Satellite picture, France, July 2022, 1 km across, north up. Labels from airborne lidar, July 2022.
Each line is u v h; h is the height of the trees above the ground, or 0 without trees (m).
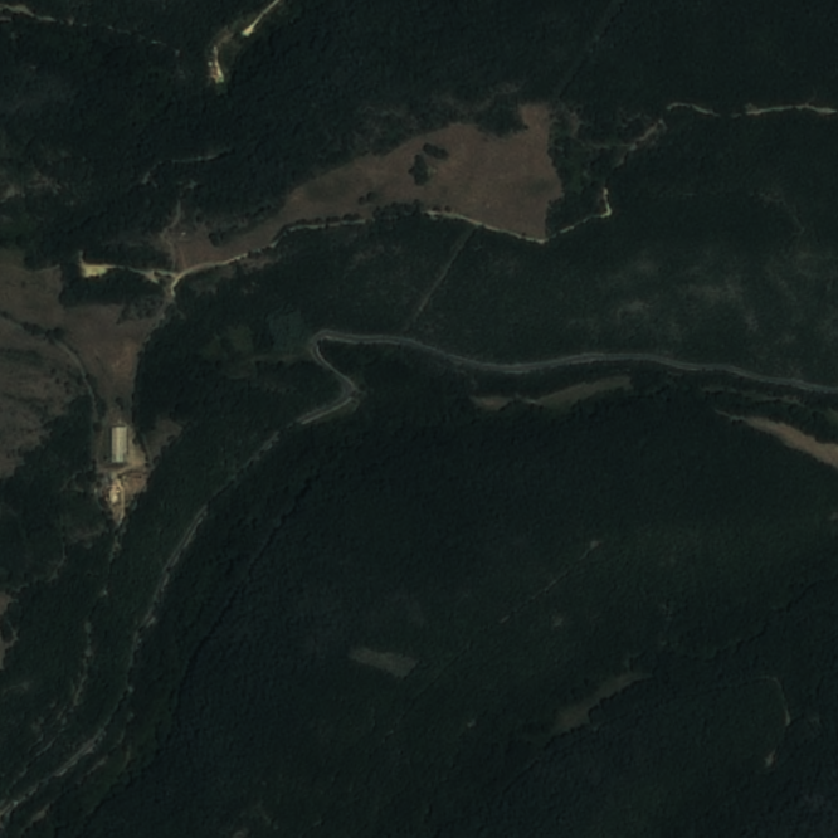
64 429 8
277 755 7
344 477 14
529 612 10
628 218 7
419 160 6
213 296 6
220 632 11
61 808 18
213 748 6
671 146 8
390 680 9
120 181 8
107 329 0
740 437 12
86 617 15
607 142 8
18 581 11
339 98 7
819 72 6
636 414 16
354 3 10
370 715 10
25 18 7
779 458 11
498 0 11
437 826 10
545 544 6
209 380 15
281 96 11
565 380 11
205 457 14
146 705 11
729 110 8
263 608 8
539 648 10
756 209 7
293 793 9
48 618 11
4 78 9
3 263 0
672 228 6
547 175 0
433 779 13
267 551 7
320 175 0
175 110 21
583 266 8
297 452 9
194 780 9
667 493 6
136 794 8
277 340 20
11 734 14
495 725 16
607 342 8
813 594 20
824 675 17
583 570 11
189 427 6
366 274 7
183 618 22
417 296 6
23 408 0
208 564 19
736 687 9
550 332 8
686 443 11
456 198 0
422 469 14
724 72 7
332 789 8
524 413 12
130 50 10
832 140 5
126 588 13
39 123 8
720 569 12
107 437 0
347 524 8
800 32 8
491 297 6
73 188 7
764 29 6
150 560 12
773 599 14
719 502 8
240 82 18
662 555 7
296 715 7
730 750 8
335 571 6
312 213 0
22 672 11
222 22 13
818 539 10
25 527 9
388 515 11
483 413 13
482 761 17
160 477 12
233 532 21
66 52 9
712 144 7
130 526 9
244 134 15
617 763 9
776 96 6
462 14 13
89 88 13
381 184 0
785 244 6
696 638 18
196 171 12
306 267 7
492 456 10
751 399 8
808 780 10
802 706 17
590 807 5
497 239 8
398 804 14
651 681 11
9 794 7
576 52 6
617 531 7
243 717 9
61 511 16
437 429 14
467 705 11
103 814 10
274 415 10
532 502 8
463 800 13
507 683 11
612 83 7
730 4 8
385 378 11
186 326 9
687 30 8
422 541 12
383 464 13
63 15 11
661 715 11
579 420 13
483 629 9
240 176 7
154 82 17
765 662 12
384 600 5
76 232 16
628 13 9
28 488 13
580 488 7
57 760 16
